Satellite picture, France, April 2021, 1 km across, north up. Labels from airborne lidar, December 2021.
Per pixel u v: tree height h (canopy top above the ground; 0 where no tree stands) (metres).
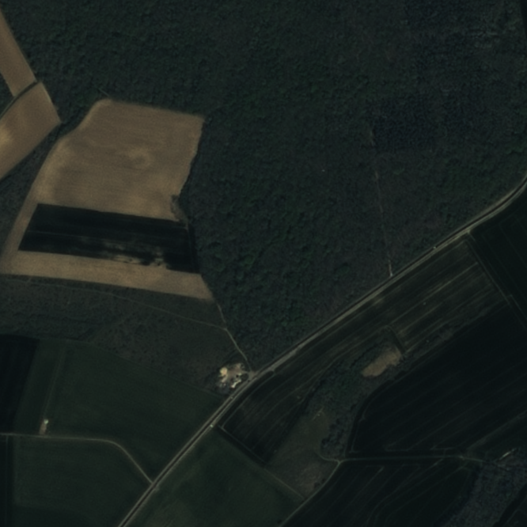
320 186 24
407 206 18
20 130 0
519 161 18
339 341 0
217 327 0
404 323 0
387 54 23
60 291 0
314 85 20
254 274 19
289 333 12
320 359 0
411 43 24
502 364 0
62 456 0
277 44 19
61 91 13
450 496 0
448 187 17
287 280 17
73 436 0
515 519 0
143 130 0
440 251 0
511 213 0
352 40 22
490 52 20
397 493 0
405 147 20
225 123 20
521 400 0
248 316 15
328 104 19
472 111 19
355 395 17
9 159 0
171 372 0
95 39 19
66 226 0
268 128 23
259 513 0
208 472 0
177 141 0
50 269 0
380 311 0
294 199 22
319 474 0
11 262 0
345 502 0
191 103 16
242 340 16
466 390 0
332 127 20
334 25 19
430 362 0
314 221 10
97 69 21
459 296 0
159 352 0
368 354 8
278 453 0
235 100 17
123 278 0
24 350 0
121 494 0
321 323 13
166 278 0
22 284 0
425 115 17
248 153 22
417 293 0
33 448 0
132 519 0
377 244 16
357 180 21
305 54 21
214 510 0
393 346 0
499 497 18
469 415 0
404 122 18
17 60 0
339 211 20
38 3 22
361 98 20
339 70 21
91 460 0
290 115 26
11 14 12
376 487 0
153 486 0
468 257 0
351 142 18
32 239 0
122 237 0
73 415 0
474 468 0
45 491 0
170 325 0
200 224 20
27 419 0
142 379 0
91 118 0
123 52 18
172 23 16
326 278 9
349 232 19
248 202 23
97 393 0
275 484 0
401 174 19
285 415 0
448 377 0
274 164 22
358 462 0
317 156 27
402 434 0
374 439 0
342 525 0
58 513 0
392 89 21
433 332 0
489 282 0
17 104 0
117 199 0
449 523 20
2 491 0
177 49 15
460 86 23
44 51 17
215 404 0
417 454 0
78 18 21
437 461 0
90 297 0
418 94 17
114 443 0
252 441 0
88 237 0
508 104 21
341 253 8
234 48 24
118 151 0
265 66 21
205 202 18
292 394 0
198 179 19
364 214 21
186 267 0
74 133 0
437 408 0
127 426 0
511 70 21
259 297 9
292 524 0
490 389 0
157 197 0
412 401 0
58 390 0
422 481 0
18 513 0
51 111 0
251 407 0
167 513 0
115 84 15
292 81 19
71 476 0
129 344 0
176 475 0
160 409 0
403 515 0
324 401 14
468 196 12
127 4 19
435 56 21
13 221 0
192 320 0
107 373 0
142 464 0
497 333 0
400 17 9
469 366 0
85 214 0
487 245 0
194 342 0
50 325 0
